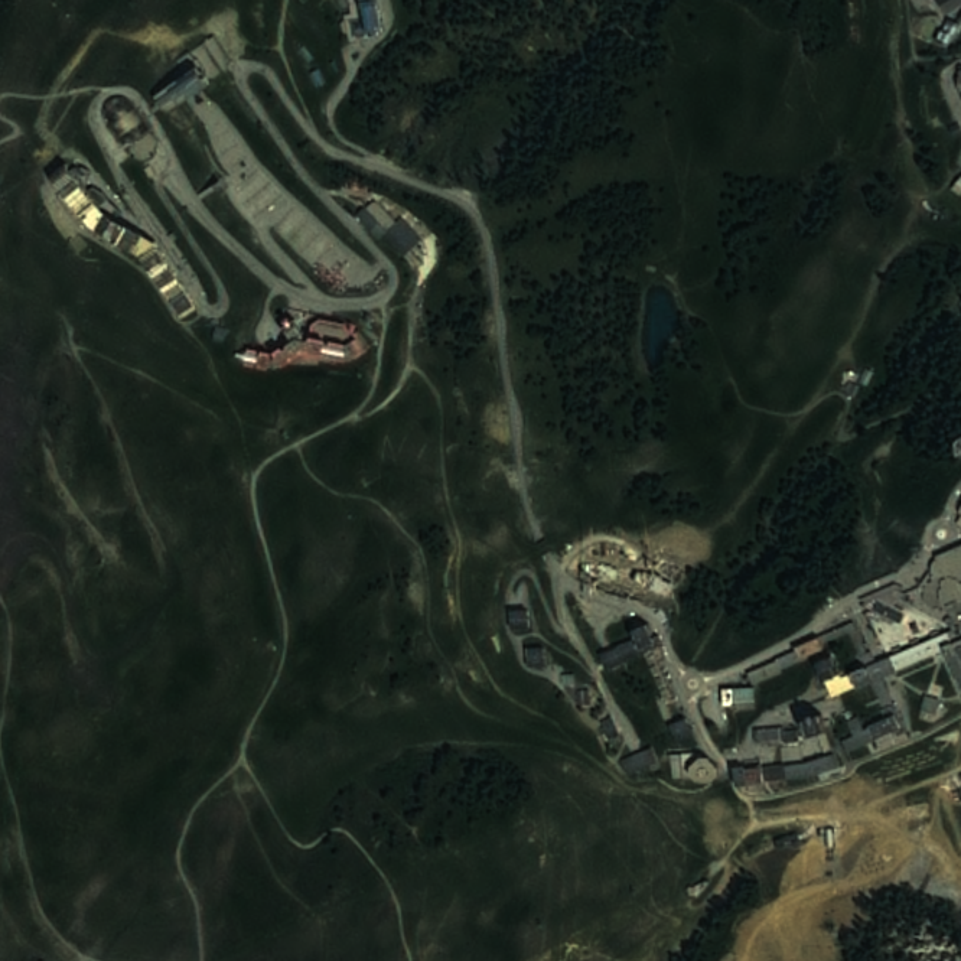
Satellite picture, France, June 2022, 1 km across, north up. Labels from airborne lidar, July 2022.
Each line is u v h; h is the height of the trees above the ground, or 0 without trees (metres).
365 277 0
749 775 0
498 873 0
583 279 20
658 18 19
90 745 0
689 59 0
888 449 0
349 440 0
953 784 0
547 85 14
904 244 0
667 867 0
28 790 0
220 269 0
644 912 0
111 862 0
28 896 0
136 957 0
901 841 0
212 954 0
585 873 0
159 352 0
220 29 0
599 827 0
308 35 0
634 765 0
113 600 0
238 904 0
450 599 0
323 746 0
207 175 0
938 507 0
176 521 0
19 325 0
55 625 0
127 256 0
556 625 0
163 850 0
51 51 0
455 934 0
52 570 0
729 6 0
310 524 0
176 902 0
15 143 0
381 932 0
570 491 0
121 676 0
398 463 0
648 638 0
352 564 0
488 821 0
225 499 0
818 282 0
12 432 0
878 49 0
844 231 0
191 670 0
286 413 0
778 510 20
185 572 0
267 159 0
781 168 0
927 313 16
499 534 0
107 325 0
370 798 0
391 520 0
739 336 0
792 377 0
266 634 0
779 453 0
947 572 0
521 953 0
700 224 0
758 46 0
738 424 0
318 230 0
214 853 0
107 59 0
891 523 0
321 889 0
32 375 0
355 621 0
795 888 0
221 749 0
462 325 22
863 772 0
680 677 0
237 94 0
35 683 0
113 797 0
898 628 0
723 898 0
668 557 0
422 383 0
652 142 0
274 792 0
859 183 0
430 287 0
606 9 17
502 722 0
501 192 13
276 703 0
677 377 0
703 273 0
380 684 0
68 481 0
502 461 0
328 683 0
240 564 0
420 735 0
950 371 33
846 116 0
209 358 0
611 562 0
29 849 0
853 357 0
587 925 0
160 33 0
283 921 0
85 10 0
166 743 0
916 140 20
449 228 11
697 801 0
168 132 0
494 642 0
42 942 0
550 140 20
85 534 0
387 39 8
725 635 0
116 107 0
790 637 0
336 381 0
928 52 10
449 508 0
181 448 0
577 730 0
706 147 0
